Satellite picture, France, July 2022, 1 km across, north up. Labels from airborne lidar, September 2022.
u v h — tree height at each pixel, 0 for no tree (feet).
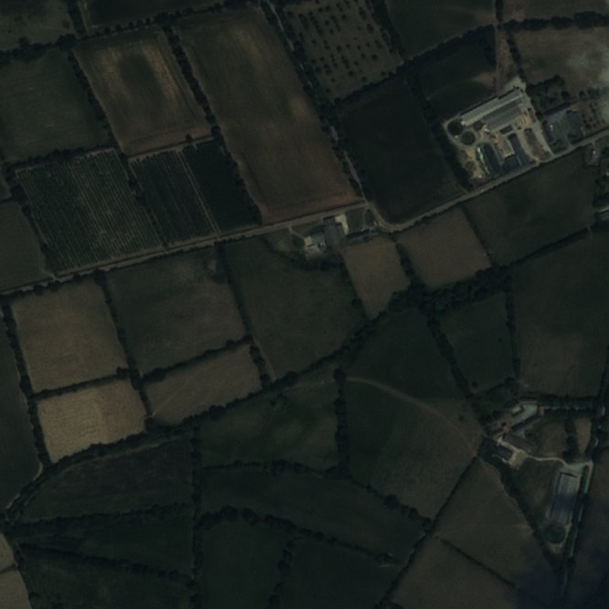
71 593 0
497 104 0
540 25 44
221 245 30
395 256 0
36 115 0
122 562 38
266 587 0
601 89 40
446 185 0
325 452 0
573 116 0
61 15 0
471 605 0
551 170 0
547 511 0
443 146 49
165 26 32
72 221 22
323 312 0
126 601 0
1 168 0
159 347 0
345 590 0
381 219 0
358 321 0
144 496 0
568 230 0
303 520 0
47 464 43
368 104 0
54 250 21
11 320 60
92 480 0
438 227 0
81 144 0
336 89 0
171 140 0
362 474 0
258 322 0
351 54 0
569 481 0
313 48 0
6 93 0
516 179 18
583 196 0
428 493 0
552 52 0
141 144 0
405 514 43
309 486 0
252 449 0
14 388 0
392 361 0
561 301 0
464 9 0
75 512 0
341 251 0
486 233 0
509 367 0
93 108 36
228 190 23
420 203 0
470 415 0
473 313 0
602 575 0
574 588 0
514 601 0
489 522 0
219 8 41
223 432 0
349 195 0
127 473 0
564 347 0
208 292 0
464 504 0
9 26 0
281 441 0
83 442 0
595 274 0
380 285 0
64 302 0
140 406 0
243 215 22
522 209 0
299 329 0
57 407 0
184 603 0
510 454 0
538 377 0
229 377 0
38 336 0
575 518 39
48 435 0
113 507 0
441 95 0
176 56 71
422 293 37
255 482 0
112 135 34
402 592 0
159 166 18
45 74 0
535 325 0
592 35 0
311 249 0
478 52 0
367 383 0
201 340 0
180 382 0
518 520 0
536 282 0
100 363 0
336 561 0
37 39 0
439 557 0
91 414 0
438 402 0
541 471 0
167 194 19
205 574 0
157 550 0
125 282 0
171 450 0
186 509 42
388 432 0
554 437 0
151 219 28
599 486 0
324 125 21
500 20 35
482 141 0
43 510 0
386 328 0
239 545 0
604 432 45
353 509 0
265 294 0
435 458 0
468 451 0
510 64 0
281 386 53
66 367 0
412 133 0
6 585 0
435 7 0
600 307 0
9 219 0
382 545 0
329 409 0
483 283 61
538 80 0
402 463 0
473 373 0
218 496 0
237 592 0
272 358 0
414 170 0
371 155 0
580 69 0
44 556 29
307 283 0
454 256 0
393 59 0
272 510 0
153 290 0
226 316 0
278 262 0
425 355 0
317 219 0
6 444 0
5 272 0
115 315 29
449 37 0
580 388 0
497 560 0
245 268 0
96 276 36
